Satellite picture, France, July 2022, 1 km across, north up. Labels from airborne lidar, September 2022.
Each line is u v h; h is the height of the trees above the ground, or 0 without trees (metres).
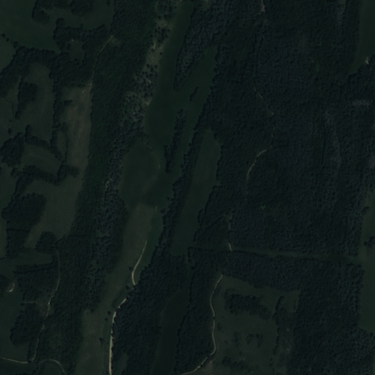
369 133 19
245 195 7
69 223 0
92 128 7
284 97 27
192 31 10
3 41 0
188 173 14
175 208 15
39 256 0
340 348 11
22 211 17
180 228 0
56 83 12
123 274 0
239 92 16
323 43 17
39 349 8
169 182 0
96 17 0
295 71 16
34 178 21
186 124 15
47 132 0
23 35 0
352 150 16
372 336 14
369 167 14
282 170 16
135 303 19
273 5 14
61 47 10
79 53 0
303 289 14
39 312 6
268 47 18
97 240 18
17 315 0
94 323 0
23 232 17
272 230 14
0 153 20
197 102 0
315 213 10
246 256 17
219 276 0
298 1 15
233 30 6
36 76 0
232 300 18
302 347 14
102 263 15
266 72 14
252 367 0
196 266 9
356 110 24
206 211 16
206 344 18
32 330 11
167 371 0
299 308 8
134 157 0
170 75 0
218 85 16
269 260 15
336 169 20
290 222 7
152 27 10
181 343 14
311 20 23
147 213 0
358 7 7
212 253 12
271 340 0
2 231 0
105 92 7
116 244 18
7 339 0
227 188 15
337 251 9
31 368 0
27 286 13
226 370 0
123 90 21
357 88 21
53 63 13
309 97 17
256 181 15
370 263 0
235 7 21
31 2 0
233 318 0
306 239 14
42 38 0
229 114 27
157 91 0
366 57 0
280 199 16
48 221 0
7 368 0
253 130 19
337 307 9
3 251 0
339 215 17
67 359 12
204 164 0
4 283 17
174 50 0
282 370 0
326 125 20
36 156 0
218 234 14
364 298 0
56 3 16
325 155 16
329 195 13
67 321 10
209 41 13
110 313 13
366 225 0
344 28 21
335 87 28
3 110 0
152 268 21
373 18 0
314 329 7
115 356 12
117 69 9
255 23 20
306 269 15
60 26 17
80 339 7
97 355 0
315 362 15
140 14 16
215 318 8
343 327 13
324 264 13
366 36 0
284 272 13
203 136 7
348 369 21
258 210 13
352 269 13
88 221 16
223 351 0
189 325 12
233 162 7
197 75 0
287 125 18
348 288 25
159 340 11
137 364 13
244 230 14
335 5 20
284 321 7
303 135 19
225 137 16
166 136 0
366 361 18
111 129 16
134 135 14
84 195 6
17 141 15
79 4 19
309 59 17
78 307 19
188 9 0
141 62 17
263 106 9
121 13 14
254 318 0
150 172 0
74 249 14
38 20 16
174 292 6
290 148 18
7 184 0
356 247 15
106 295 0
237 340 9
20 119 15
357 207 18
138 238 0
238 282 0
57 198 0
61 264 6
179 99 0
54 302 10
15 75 18
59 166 0
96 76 6
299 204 17
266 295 0
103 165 9
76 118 0
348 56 21
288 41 11
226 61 26
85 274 17
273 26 17
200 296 18
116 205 23
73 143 0
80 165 0
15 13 0
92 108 6
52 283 7
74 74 17
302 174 10
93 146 5
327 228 9
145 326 17
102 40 14
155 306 18
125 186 0
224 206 9
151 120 0
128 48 11
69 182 0
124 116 11
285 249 13
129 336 15
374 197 0
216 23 13
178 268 22
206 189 0
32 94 17
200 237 11
